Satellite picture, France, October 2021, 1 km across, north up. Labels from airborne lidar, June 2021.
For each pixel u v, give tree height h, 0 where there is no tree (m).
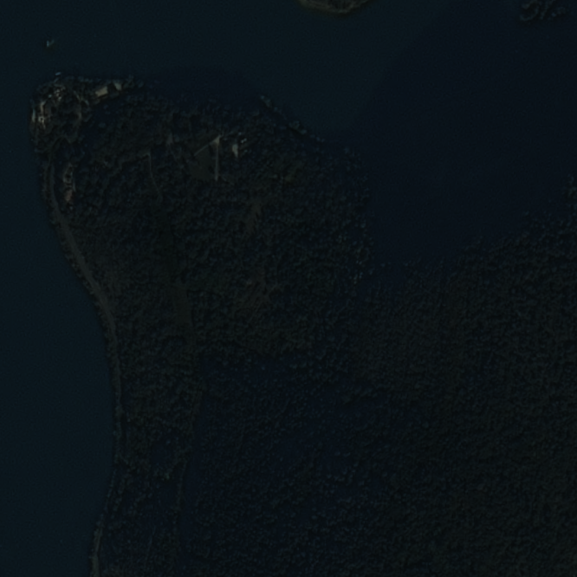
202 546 19
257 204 0
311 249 23
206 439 20
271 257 13
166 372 13
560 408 21
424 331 7
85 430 0
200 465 18
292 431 20
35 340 0
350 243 16
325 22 0
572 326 8
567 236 14
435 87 0
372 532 19
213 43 0
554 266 20
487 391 20
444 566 24
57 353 0
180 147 7
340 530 21
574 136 8
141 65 0
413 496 14
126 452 17
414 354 9
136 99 14
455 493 17
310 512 12
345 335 18
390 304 7
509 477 10
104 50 0
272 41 0
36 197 0
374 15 0
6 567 0
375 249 14
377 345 8
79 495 0
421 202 23
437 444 23
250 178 13
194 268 7
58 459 0
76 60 0
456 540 18
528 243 11
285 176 22
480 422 15
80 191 7
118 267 8
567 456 15
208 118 10
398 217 17
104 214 7
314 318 12
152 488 7
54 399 0
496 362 14
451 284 16
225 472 25
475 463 18
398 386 11
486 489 11
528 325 7
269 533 15
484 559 13
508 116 13
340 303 22
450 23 0
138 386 15
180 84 9
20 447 0
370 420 19
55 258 0
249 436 18
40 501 0
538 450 22
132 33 0
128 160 9
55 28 0
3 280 0
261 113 12
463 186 16
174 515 9
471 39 0
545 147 24
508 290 7
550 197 18
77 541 0
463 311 10
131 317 13
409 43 0
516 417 13
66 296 0
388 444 15
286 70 0
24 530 0
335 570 20
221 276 11
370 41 0
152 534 8
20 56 0
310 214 31
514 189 10
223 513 17
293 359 11
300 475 19
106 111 16
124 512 9
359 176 20
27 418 0
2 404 0
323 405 13
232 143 7
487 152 9
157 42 0
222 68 0
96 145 20
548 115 13
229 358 13
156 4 0
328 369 15
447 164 8
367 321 12
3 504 0
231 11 0
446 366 16
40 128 7
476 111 13
